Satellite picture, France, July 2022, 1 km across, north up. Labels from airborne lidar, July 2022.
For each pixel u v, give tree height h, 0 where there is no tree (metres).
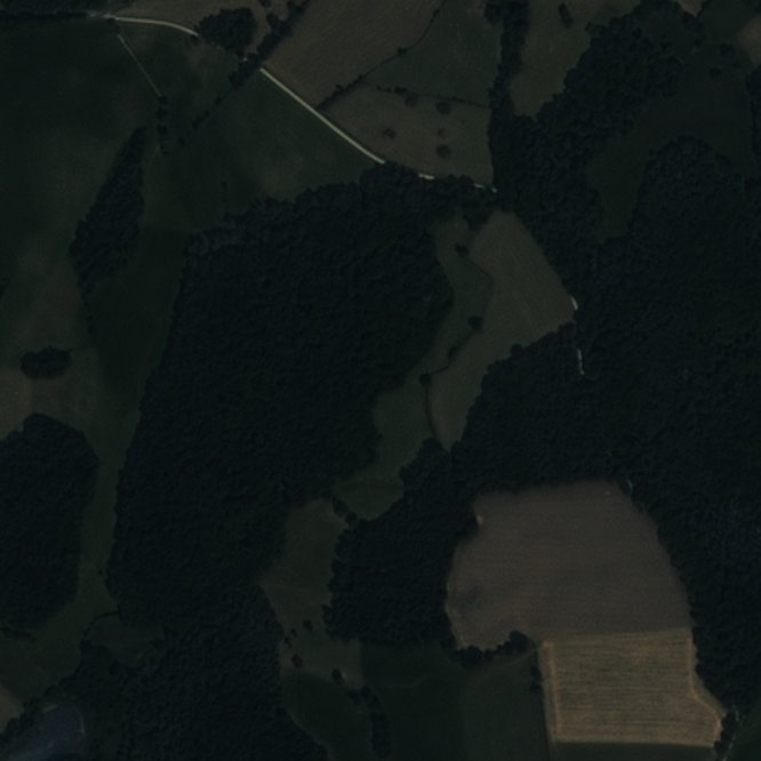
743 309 26
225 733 21
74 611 0
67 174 0
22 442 28
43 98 0
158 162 0
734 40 0
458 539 19
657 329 27
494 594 0
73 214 0
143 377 0
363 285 29
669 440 22
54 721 0
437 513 17
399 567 16
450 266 0
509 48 20
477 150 0
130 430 0
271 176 0
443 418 0
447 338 0
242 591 23
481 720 0
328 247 25
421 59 0
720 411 23
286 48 0
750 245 22
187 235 0
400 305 28
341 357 26
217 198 0
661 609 0
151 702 22
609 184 0
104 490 0
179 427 26
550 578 0
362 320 29
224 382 23
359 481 0
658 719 0
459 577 0
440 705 0
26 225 0
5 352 0
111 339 0
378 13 0
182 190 0
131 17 0
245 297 29
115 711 10
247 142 0
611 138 16
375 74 0
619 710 0
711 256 24
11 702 0
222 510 22
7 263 0
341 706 0
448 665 0
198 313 25
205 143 0
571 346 20
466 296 0
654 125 0
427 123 0
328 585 0
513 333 0
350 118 0
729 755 13
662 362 23
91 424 0
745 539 32
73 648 0
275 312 28
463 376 0
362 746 0
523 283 0
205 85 0
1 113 0
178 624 25
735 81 0
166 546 22
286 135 0
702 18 6
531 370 20
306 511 0
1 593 26
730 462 22
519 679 0
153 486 22
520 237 0
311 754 29
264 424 20
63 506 26
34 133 0
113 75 0
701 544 20
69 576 27
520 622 0
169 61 0
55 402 0
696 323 22
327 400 25
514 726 0
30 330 0
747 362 22
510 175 26
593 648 0
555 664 0
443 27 0
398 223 24
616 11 0
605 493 0
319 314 26
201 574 19
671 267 26
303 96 0
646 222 21
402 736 0
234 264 24
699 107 0
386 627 29
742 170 0
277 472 21
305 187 0
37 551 22
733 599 26
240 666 21
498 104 23
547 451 20
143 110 0
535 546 0
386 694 0
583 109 35
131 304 0
